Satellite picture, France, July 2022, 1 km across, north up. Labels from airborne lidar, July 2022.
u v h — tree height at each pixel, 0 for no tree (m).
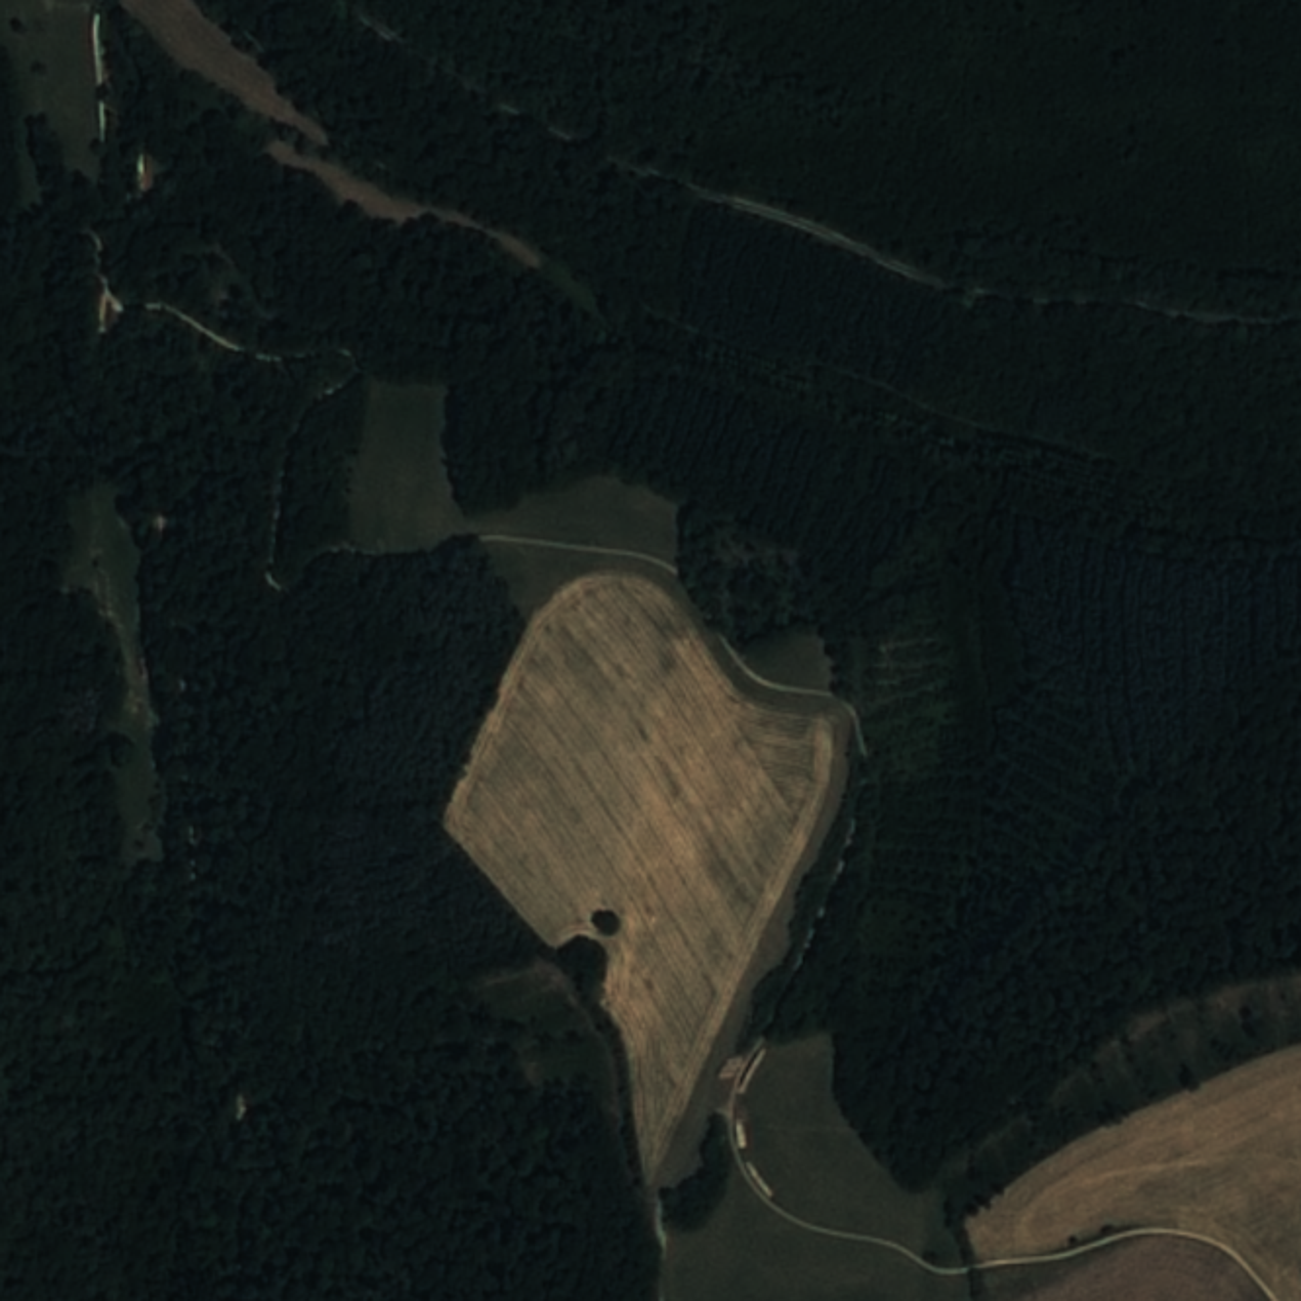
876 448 11
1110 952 25
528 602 0
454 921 10
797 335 17
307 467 14
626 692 0
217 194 17
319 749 17
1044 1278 0
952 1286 0
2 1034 26
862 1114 21
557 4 21
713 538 28
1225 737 23
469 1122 25
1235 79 11
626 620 0
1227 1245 0
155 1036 7
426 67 19
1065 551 20
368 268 15
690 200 19
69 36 0
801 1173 0
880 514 18
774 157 9
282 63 32
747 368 24
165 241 21
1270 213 8
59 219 19
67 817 17
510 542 0
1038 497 14
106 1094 14
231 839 19
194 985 27
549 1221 26
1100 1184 0
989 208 9
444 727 20
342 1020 18
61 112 0
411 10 20
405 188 13
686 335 11
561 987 0
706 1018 0
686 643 0
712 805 0
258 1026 19
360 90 24
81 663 27
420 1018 23
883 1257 0
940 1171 17
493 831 0
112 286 9
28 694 23
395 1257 26
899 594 21
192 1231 25
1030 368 19
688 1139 0
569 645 0
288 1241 27
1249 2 12
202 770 25
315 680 17
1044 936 22
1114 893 24
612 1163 19
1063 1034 24
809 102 21
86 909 25
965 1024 28
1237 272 11
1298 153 7
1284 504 14
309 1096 24
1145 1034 0
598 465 21
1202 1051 0
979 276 22
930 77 7
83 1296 25
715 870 0
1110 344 24
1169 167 12
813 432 18
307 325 21
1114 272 25
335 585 15
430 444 0
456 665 20
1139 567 25
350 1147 27
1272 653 25
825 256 18
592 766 0
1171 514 9
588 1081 9
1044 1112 11
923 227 8
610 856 0
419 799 17
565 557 0
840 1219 0
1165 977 26
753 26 7
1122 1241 0
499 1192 27
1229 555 24
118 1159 19
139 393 20
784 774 0
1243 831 29
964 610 7
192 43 0
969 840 18
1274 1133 0
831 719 0
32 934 20
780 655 0
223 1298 15
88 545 0
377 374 17
